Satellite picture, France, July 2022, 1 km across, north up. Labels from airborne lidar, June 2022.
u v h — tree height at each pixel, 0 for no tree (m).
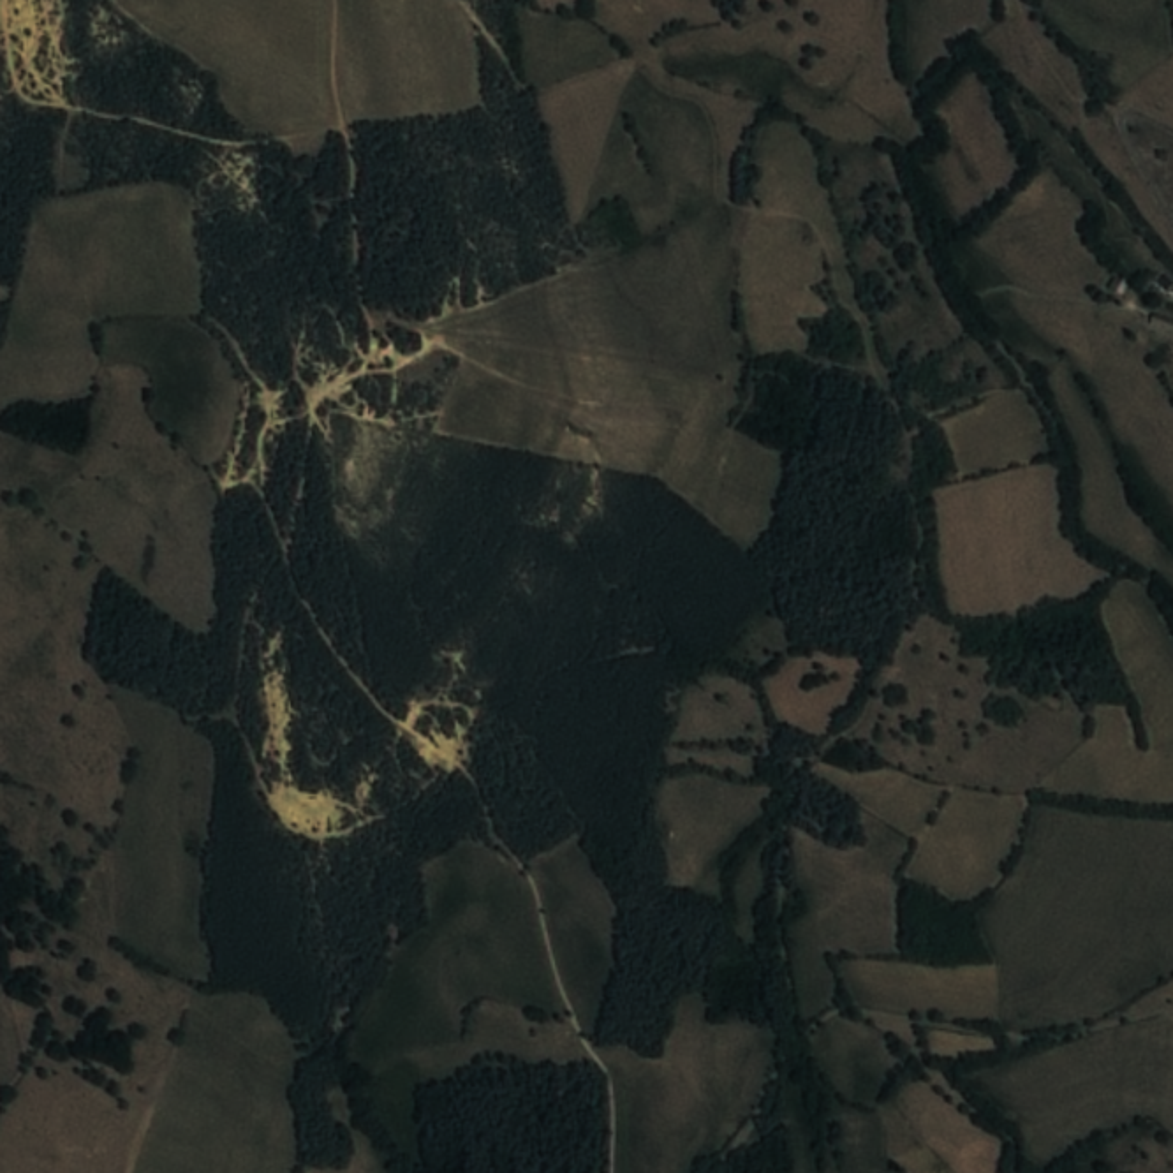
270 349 6
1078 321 0
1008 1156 14
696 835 0
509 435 0
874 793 0
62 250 0
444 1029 0
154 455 0
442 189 9
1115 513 0
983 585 0
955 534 0
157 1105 0
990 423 0
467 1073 14
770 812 14
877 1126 0
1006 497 0
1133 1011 0
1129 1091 0
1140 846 0
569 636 9
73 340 0
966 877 0
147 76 8
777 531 12
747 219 0
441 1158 18
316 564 18
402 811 8
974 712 0
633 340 0
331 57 0
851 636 17
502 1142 23
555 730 13
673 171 0
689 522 13
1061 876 0
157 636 18
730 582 14
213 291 7
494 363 0
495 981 0
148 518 0
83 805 0
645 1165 0
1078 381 9
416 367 0
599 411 0
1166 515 0
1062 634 14
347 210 11
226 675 7
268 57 0
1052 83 0
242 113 0
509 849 10
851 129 0
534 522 5
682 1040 0
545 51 0
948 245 19
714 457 0
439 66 0
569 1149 18
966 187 0
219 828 11
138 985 0
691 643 15
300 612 10
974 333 17
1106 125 0
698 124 0
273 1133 0
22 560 0
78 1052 17
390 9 0
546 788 12
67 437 10
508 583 7
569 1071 9
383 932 14
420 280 14
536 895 0
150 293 0
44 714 0
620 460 0
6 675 0
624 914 15
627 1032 19
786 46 0
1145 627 0
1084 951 0
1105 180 9
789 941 13
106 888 0
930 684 0
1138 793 0
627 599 12
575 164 0
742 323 12
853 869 0
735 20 8
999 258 0
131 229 0
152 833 0
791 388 10
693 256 0
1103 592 18
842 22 0
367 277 13
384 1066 0
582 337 0
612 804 10
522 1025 0
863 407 17
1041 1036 11
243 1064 0
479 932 0
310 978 11
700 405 0
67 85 6
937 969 11
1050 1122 0
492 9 5
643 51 0
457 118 6
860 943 0
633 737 11
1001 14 10
